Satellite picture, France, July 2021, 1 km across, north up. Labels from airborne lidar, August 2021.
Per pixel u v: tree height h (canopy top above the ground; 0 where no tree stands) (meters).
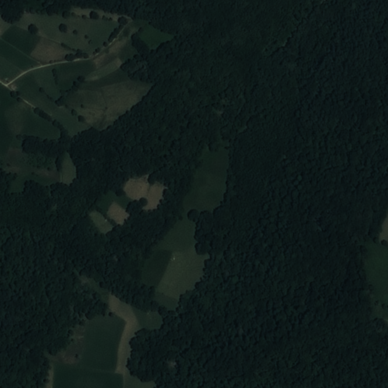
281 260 32
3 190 18
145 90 0
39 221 15
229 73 20
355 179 34
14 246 30
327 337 14
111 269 28
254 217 15
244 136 16
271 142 16
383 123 11
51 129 0
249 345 25
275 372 16
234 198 23
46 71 0
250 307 27
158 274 0
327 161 26
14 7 26
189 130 29
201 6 20
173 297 0
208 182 0
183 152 26
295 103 19
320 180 26
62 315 25
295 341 19
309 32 25
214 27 17
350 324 20
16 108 0
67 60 14
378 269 0
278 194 21
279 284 15
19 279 10
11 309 28
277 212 22
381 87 21
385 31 24
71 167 0
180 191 25
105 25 0
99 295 23
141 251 26
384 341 23
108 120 0
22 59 0
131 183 0
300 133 30
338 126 15
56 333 29
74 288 24
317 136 32
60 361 0
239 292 30
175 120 22
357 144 22
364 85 26
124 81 0
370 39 19
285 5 21
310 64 19
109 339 0
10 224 10
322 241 27
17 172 0
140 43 19
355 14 19
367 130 23
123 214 0
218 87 26
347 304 26
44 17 0
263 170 14
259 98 29
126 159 23
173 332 20
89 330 0
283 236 28
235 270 32
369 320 16
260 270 29
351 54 22
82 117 15
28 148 23
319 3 15
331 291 32
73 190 20
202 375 25
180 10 19
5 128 0
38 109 10
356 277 29
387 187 15
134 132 25
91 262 30
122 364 0
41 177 0
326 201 29
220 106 31
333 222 28
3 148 0
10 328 29
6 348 24
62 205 18
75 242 27
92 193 22
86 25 0
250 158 21
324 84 21
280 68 26
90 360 0
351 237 22
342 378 27
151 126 30
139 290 22
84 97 0
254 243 35
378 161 22
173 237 0
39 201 14
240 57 19
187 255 0
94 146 24
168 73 28
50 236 16
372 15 22
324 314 25
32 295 21
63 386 0
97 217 0
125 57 0
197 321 22
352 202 28
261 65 30
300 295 29
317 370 32
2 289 28
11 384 24
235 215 15
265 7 20
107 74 0
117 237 19
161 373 29
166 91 19
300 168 27
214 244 33
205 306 29
